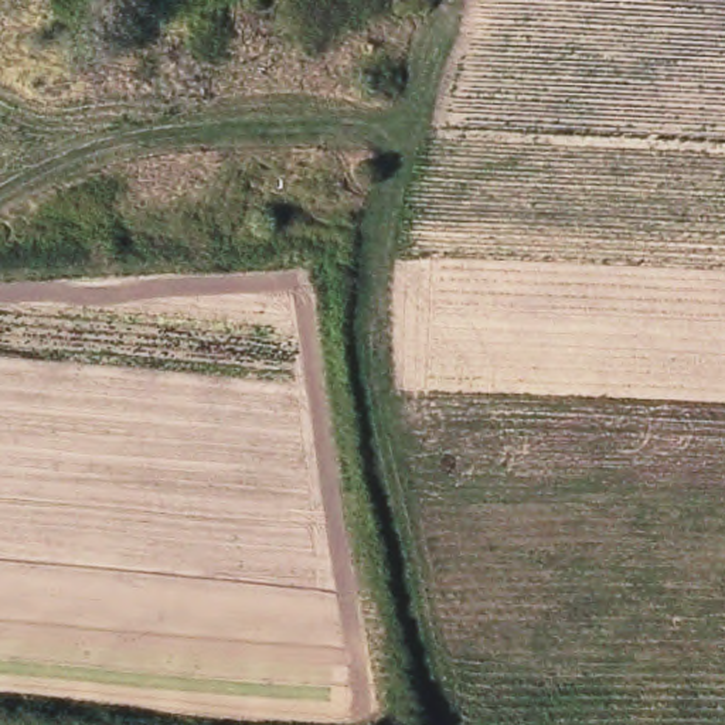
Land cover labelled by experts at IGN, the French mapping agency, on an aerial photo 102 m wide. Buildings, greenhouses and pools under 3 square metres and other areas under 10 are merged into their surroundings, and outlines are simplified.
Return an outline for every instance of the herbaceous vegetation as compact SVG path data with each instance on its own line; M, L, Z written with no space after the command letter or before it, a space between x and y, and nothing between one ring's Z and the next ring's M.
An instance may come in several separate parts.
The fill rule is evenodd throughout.
M312 57L300 48L300 23L292 23L289 0L238 0L229 8L235 23L235 40L229 42L229 59L207 62L193 57L190 28L187 23L176 20L176 14L181 11L181 0L88 0L85 23L62 23L54 20L51 0L0 0L0 283L59 278L125 278L153 272L212 275L306 269L317 292L320 317L334 320L343 329L346 348L360 348L360 371L363 377L368 374L365 317L371 309L371 295L377 297L391 289L396 261L405 261L411 255L413 227L425 221L425 207L413 204L413 195L422 193L419 181L428 176L430 167L439 85L447 57L462 31L467 0L394 0L385 17L365 23L360 31L346 31L340 48L329 48L323 57ZM382 99L371 91L365 68L371 65L371 59L379 57L408 62L405 96ZM382 150L399 156L399 170L385 181L374 181L371 167L365 161L379 156ZM303 224L278 224L269 215L272 201L297 204L326 224L323 229ZM113 261L110 224L119 218L130 232L133 249Z
M377 603L371 600L368 578L357 575L363 592L363 620L368 626L368 646L377 671L382 663L385 626Z

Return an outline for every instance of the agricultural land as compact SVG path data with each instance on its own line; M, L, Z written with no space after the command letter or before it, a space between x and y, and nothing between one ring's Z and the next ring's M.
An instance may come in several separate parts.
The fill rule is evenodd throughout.
M391 289L377 297L371 295L371 309L365 317L368 374L363 377L360 371L360 348L346 348L348 391L357 413L363 481L385 549L388 592L402 632L402 646L408 651L408 683L419 700L419 714L425 725L725 725L725 0L467 0L462 31L447 57L439 85L430 167L428 176L419 181L422 193L413 195L413 204L425 207L425 221L413 227L411 255L405 261L396 261Z
M133 705L181 717L249 722L278 719L323 725L368 725L377 722L382 714L377 671L368 646L368 626L363 620L363 592L357 575L340 498L343 479L331 436L331 405L326 394L320 317L317 292L306 269L212 275L153 272L125 278L59 278L0 283L0 691Z

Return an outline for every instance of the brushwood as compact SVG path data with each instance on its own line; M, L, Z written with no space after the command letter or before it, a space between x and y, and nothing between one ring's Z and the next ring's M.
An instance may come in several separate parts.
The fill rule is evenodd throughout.
M85 23L88 0L51 0L54 20L62 23Z
M0 691L0 725L323 725L278 719L249 722L181 717L133 705Z
M238 0L181 0L181 11L176 14L176 20L187 23L190 28L193 57L207 62L229 59L229 42L235 40L235 23L229 8Z
M385 626L382 663L377 671L382 714L377 722L368 725L425 725L419 714L419 700L408 683L408 651L402 646L402 632L388 592L385 549L363 481L357 413L348 391L346 348L343 329L334 320L320 317L326 394L331 405L331 436L343 479L340 498L357 575L368 578L371 600L377 603Z
M130 232L119 218L110 224L113 261L133 249Z
M399 170L399 156L382 150L379 156L365 161L371 167L374 181L385 181Z
M300 23L300 48L312 57L323 57L329 48L340 48L346 31L360 31L365 23L385 17L394 0L289 0L292 23Z
M278 224L303 224L323 229L326 224L297 204L272 201L269 215Z
M371 65L365 68L371 91L382 99L405 96L408 62L379 57L371 59Z

